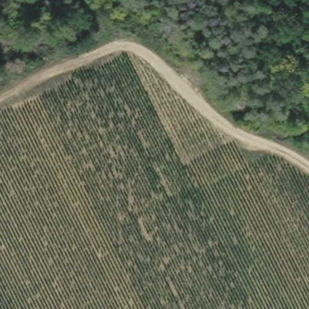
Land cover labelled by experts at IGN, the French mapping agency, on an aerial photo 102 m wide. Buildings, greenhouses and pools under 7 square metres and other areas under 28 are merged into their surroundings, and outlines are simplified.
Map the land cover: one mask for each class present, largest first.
<instances>
[{"label":"vineyard","instance_id":"1","mask_svg":"<svg viewBox=\"0 0 309 309\"><path fill-rule=\"evenodd\" d=\"M0 309H309V175L284 157L263 150H247L240 140L234 139L221 129L214 128L209 119L187 103V100L152 68L150 63L134 53L106 54L87 66H81L80 69L49 77L0 103Z\"/></svg>","mask_w":309,"mask_h":309},{"label":"coniferous trees","instance_id":"2","mask_svg":"<svg viewBox=\"0 0 309 309\"><path fill-rule=\"evenodd\" d=\"M86 4L97 12V19L109 14L113 18L109 28L116 41H132L151 49L177 75L186 77L193 89H199L206 103L235 127L278 142L309 161V97H305L303 92L292 93L290 100L278 103L268 101L266 88L253 86L251 81L264 78L261 70L264 68V62L255 58L256 48L252 43L261 42L266 37L267 28L261 27L257 33H252L251 29L255 23L244 22L258 13L255 7L251 6L253 0H86Z\"/></svg>","mask_w":309,"mask_h":309},{"label":"deciduous trees","instance_id":"3","mask_svg":"<svg viewBox=\"0 0 309 309\"><path fill-rule=\"evenodd\" d=\"M113 18L109 14L97 19V12L86 4V0H0V93L16 87L19 82L42 69L52 68L64 63L66 59L76 58L82 53L116 41L109 28ZM251 6L255 7L258 13L244 22L255 23L251 29L252 33H257L261 27L267 28L266 37L261 42L252 43L256 48L255 58L264 62V68L261 70L264 78L251 81L253 86L266 88L268 101L278 103L290 100L292 93L303 92L305 97H309V0H253Z\"/></svg>","mask_w":309,"mask_h":309},{"label":"pervious surface","instance_id":"4","mask_svg":"<svg viewBox=\"0 0 309 309\"><path fill-rule=\"evenodd\" d=\"M134 53L150 63L152 68L187 100V103L209 119L214 128L221 129L234 139L240 140L247 150H263L284 157L309 175V161L278 142L235 127L206 103L199 89H193L186 77L177 75L151 49L132 41H116L82 53L76 58L66 59L64 63L52 68L42 69L19 82L16 87L0 93V103L49 77L80 69L81 66H87L106 54Z\"/></svg>","mask_w":309,"mask_h":309}]
</instances>
